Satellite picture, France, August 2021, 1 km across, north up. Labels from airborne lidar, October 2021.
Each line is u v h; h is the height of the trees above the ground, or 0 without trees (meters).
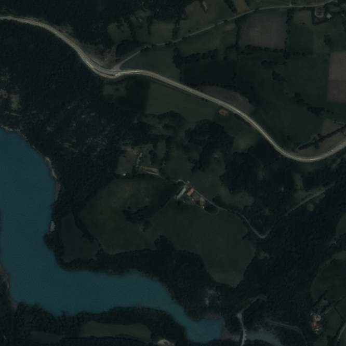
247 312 17
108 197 0
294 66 0
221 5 0
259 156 0
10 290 0
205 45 0
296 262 30
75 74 12
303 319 22
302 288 15
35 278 0
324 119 0
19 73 11
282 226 25
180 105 0
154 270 25
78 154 9
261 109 0
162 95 0
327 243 10
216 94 0
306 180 12
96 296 0
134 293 0
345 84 0
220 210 0
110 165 9
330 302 20
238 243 0
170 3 8
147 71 0
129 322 17
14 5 13
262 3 0
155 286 0
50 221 0
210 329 0
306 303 17
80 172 12
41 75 15
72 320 7
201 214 0
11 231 0
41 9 17
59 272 0
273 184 14
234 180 16
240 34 8
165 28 0
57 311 0
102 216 0
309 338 12
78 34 6
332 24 0
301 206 6
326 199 17
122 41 9
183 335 27
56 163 10
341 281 0
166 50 0
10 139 0
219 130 17
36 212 0
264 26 0
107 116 11
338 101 0
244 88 0
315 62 0
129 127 12
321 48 0
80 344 24
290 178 15
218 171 0
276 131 0
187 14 12
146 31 0
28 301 0
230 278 0
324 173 15
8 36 18
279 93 0
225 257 0
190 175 0
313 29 0
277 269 28
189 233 0
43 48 14
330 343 7
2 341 17
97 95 11
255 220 10
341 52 0
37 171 0
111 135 7
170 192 0
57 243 13
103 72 0
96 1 6
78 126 9
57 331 19
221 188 0
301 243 32
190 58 15
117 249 0
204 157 19
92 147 10
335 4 9
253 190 10
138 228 0
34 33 18
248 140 0
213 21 0
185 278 11
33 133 13
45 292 0
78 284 0
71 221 0
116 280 0
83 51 0
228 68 0
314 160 0
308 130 0
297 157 0
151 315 20
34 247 0
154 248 0
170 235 0
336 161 12
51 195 0
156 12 9
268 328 26
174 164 0
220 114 0
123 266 16
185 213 0
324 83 0
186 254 15
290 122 0
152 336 11
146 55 0
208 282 15
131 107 0
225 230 0
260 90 0
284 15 0
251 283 15
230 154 8
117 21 11
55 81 12
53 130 6
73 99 10
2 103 6
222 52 0
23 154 0
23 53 22
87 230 12
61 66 17
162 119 11
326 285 0
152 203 0
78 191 21
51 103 10
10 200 0
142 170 0
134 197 0
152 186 0
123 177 9
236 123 0
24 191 0
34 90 11
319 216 23
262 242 12
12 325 34
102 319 17
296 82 0
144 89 0
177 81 0
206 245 0
